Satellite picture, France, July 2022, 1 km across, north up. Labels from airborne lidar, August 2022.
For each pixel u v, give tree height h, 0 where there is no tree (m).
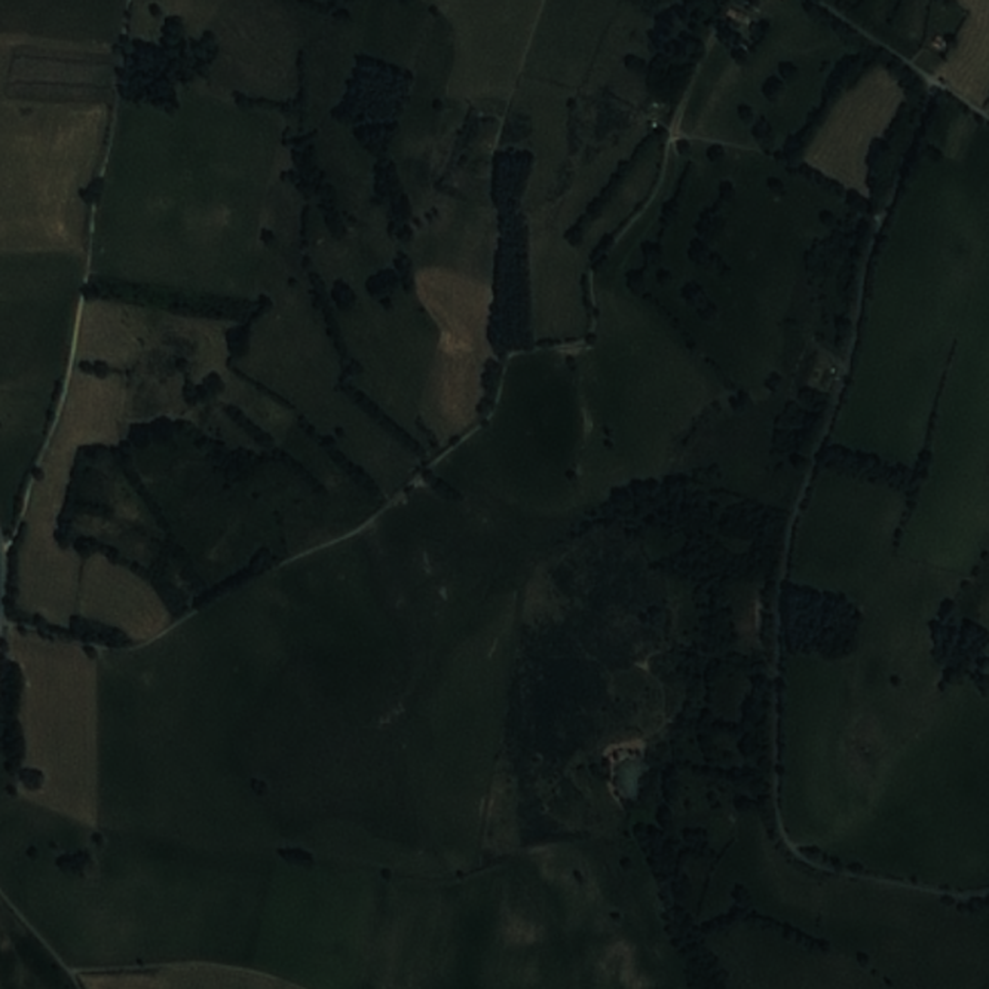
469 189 0
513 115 0
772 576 9
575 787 0
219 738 0
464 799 0
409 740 0
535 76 0
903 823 0
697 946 15
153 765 0
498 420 0
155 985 0
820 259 6
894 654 0
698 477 6
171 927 0
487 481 0
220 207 0
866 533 0
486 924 0
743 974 0
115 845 0
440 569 0
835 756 0
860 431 0
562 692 0
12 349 0
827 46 0
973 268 0
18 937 0
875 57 9
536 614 0
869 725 0
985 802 0
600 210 9
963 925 0
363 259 0
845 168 0
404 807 0
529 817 0
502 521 0
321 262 0
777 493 0
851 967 0
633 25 0
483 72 0
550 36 0
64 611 0
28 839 0
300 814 0
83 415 0
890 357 0
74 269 0
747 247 0
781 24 0
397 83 19
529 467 0
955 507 0
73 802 0
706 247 20
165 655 0
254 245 0
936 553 0
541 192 0
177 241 0
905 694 0
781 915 0
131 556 0
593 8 0
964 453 0
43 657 0
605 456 0
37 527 0
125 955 0
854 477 16
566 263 0
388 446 0
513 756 0
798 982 0
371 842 0
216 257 0
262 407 0
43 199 0
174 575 0
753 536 8
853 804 0
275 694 0
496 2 0
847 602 13
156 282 0
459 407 0
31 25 0
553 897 0
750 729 9
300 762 0
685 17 23
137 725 0
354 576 0
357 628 0
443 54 0
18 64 0
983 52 0
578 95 0
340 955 0
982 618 0
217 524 0
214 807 0
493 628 0
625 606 0
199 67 13
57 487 0
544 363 0
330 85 0
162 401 0
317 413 0
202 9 0
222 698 0
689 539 13
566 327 0
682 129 0
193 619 0
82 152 0
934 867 0
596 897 0
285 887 0
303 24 0
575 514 0
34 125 0
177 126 0
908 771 0
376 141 18
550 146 0
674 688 0
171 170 0
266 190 0
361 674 0
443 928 0
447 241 0
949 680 18
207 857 0
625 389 0
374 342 0
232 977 0
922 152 14
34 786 17
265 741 0
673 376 0
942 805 0
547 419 0
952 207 0
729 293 0
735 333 0
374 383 0
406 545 0
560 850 0
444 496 11
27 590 0
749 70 0
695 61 7
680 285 0
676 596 0
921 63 0
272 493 0
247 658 0
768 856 0
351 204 0
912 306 0
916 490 8
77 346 0
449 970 0
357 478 15
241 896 0
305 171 14
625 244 0
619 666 0
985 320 0
